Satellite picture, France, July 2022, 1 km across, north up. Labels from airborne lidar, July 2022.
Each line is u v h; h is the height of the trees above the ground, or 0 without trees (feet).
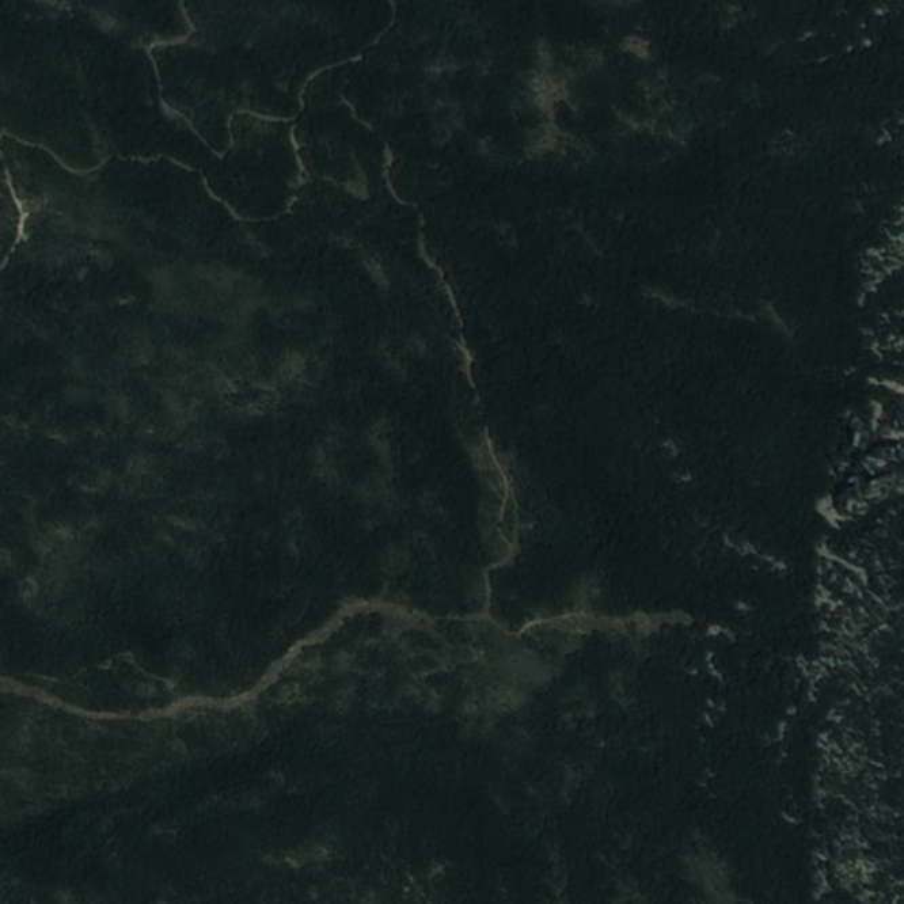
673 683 27
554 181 39
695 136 31
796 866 22
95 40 29
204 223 18
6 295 22
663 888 25
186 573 26
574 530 27
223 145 33
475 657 0
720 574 23
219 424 22
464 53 22
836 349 31
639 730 26
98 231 0
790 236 34
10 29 43
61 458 20
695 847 17
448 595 19
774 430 28
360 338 23
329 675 22
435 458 25
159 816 23
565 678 22
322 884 20
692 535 22
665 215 31
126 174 25
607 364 33
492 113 31
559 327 20
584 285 19
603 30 24
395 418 26
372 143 33
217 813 17
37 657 19
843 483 24
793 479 29
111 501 20
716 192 28
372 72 41
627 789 33
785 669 25
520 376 27
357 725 17
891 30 31
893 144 21
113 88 30
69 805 26
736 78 24
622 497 38
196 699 0
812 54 36
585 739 24
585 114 20
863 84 27
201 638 19
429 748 25
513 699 0
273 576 31
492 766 24
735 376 27
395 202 28
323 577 27
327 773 21
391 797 23
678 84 28
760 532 21
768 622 31
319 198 19
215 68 31
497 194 33
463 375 24
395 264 19
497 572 24
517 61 27
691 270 20
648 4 24
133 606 25
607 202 31
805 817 26
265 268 30
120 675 20
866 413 28
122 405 0
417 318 23
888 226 25
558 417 30
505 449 23
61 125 22
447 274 29
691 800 22
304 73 24
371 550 30
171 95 28
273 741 25
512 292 23
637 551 41
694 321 26
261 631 25
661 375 28
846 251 37
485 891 26
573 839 29
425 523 30
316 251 21
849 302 24
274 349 18
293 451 24
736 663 34
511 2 30
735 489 26
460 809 26
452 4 30
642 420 23
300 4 24
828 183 28
